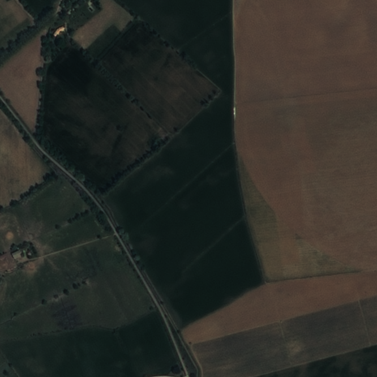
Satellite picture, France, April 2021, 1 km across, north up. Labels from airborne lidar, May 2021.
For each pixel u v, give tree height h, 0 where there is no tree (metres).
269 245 0
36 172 0
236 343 0
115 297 0
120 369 0
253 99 0
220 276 0
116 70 0
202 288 0
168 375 0
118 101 0
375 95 0
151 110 0
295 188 0
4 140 0
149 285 0
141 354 0
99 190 9
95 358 0
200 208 0
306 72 0
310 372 0
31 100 0
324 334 0
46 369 0
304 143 0
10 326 0
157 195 0
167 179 0
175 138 0
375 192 0
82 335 0
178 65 0
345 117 0
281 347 0
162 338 0
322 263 0
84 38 0
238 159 0
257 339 0
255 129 0
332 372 0
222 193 0
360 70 0
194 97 0
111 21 0
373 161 0
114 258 0
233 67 0
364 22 0
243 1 0
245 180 0
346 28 0
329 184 0
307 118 0
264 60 0
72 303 0
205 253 0
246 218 0
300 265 0
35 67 0
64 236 0
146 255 0
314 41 0
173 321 0
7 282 0
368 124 0
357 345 0
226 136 0
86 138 0
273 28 0
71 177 0
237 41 0
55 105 0
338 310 0
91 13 0
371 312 0
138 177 0
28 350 0
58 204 0
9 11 0
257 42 0
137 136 0
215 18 0
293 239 0
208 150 0
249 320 0
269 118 0
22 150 0
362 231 0
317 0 0
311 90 0
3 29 0
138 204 0
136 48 0
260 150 0
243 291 0
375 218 0
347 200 0
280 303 0
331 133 0
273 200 0
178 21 0
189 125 0
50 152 16
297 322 0
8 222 0
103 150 0
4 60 24
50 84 0
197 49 0
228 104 0
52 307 0
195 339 0
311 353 0
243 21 0
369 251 0
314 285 0
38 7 0
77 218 12
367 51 0
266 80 0
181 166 0
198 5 0
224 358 0
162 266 0
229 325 0
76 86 0
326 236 0
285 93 0
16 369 0
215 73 0
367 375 0
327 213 0
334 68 0
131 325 0
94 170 0
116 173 0
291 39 0
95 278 0
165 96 0
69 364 0
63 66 0
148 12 0
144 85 0
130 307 0
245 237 0
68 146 0
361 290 0
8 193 0
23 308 0
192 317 0
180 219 0
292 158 0
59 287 0
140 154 0
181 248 0
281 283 0
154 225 0
